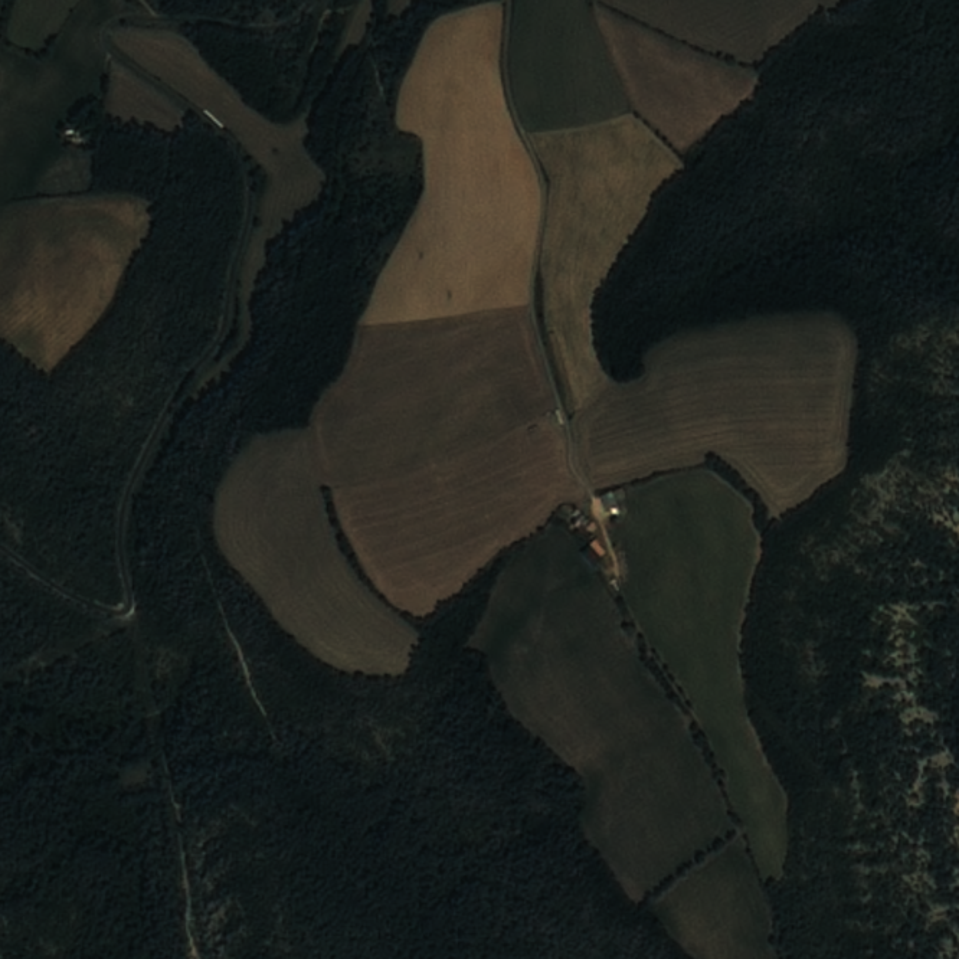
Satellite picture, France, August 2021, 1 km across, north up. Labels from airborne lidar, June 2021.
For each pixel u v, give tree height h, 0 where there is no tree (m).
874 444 6
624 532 0
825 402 0
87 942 9
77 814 11
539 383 0
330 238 13
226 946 5
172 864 7
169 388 14
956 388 11
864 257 9
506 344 0
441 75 0
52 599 7
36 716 19
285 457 0
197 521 8
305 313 14
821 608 7
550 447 0
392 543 0
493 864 10
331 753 6
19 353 12
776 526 9
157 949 8
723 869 0
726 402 0
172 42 0
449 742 11
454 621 14
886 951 7
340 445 0
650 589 0
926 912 11
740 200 16
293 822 14
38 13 0
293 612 0
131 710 11
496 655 0
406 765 10
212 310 11
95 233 0
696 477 0
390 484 0
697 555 0
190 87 0
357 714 11
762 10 0
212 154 11
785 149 13
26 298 0
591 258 0
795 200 8
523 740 11
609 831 0
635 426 0
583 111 0
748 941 0
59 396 9
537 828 14
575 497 0
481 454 0
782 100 11
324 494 8
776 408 0
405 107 0
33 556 7
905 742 9
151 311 9
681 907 0
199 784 7
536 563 0
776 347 0
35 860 10
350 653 0
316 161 11
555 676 0
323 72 15
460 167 0
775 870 0
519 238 0
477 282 0
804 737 7
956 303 15
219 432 12
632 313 16
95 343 8
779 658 8
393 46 7
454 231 0
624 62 0
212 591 7
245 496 0
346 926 9
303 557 0
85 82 0
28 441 6
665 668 7
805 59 13
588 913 9
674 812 0
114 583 6
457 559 0
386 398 0
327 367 12
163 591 10
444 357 0
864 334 8
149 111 0
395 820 17
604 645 0
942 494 6
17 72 0
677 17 0
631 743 0
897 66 9
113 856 17
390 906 13
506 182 0
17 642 8
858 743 9
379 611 0
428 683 9
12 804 10
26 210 0
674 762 0
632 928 10
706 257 16
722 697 0
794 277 11
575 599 0
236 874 6
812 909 6
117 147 12
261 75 12
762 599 9
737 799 0
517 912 12
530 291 0
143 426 6
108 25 0
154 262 9
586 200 0
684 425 0
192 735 9
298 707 6
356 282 9
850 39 9
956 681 9
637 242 15
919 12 14
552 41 0
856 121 14
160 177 9
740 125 13
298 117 10
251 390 14
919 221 11
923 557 11
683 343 0
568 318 0
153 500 12
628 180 0
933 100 13
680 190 15
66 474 9
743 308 10
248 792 6
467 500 0
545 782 12
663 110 0
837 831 8
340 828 15
